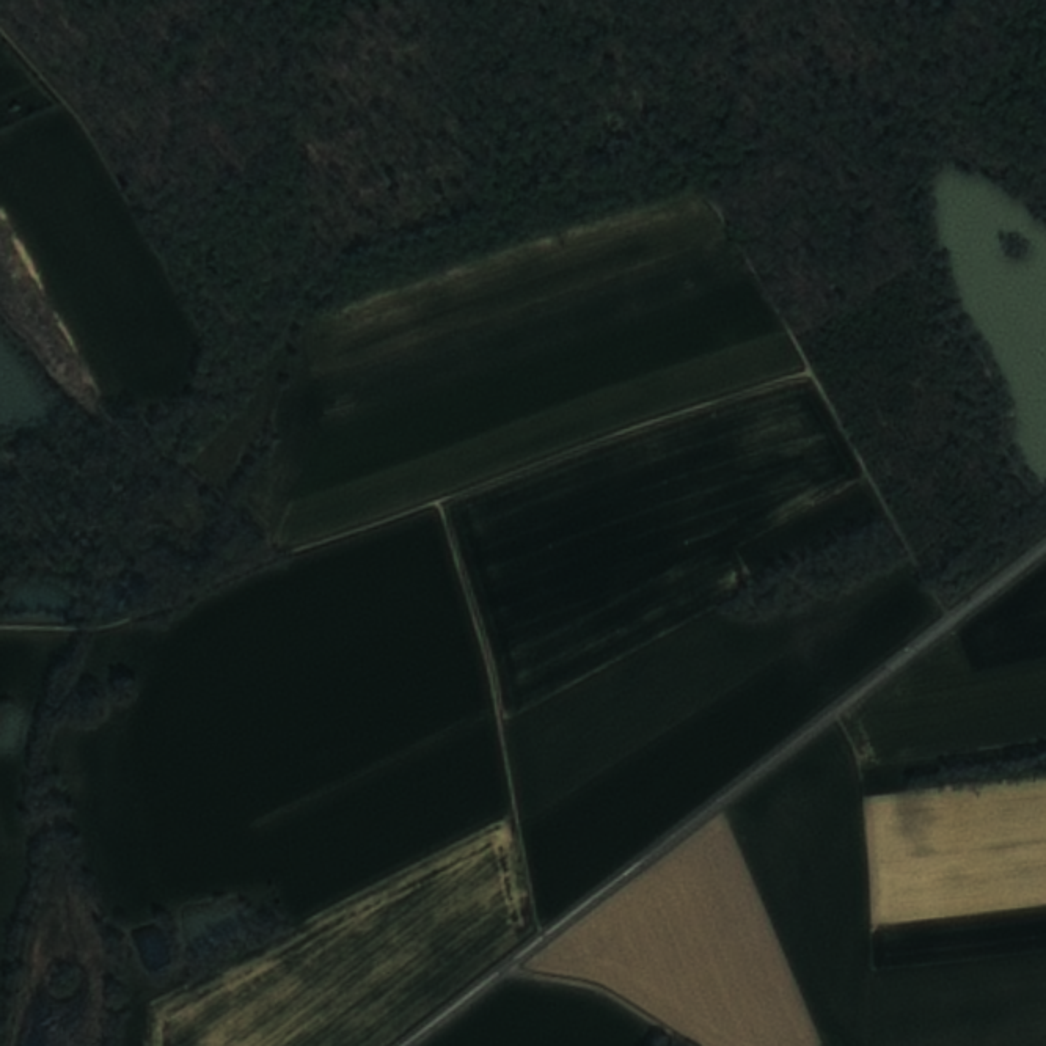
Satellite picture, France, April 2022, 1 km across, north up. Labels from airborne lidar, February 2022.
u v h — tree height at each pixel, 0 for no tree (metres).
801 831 0
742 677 0
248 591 0
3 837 0
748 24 24
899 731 0
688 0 23
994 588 0
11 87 0
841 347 8
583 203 26
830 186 31
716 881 0
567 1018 0
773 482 0
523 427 0
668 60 25
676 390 0
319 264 23
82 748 0
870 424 7
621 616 0
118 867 0
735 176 24
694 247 0
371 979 0
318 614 0
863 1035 0
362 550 0
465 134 22
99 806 0
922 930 0
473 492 0
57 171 0
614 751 0
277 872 0
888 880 0
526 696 0
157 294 0
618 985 0
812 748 0
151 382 0
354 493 0
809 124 23
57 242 0
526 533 0
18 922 15
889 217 23
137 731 0
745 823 0
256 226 25
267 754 0
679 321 0
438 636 0
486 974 0
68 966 12
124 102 27
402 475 0
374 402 0
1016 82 22
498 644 0
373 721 0
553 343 0
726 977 0
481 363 0
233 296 19
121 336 0
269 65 27
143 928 0
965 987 0
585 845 0
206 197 26
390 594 0
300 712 0
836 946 0
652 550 0
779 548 0
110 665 0
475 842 0
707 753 0
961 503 8
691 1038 0
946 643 0
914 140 15
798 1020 0
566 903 0
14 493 25
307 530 0
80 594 14
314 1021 0
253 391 22
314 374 0
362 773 0
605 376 0
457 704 0
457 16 21
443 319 0
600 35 23
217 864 0
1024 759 21
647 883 0
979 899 0
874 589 0
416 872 0
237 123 26
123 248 0
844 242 27
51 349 0
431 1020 0
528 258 0
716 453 0
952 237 0
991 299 0
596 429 0
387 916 0
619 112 25
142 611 21
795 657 0
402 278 23
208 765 0
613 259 0
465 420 0
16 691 0
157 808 0
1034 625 0
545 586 0
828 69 23
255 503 0
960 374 18
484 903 0
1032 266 0
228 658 0
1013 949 0
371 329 0
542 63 19
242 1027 0
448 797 0
